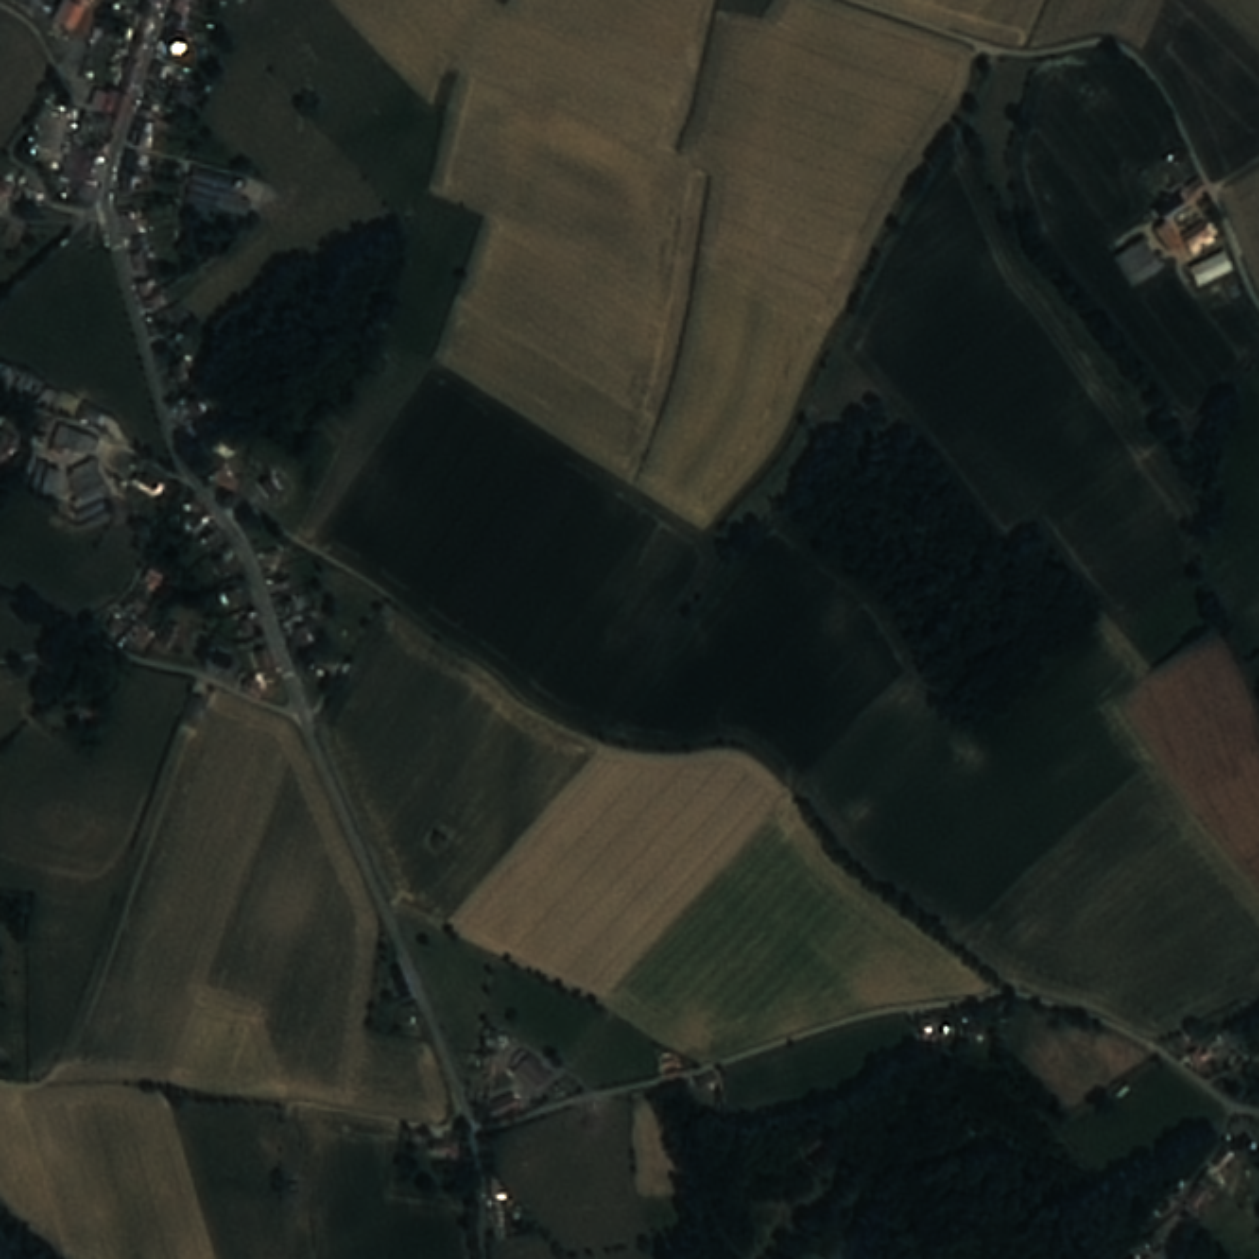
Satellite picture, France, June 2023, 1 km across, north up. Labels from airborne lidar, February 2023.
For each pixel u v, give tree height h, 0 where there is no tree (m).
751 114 0
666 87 0
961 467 0
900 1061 19
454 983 0
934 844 0
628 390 0
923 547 20
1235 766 0
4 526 0
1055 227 0
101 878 0
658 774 0
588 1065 0
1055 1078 0
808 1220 20
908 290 0
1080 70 0
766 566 0
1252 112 0
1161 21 0
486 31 0
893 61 0
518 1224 13
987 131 0
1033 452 0
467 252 0
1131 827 0
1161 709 0
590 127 0
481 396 0
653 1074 0
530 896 0
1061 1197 18
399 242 20
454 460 0
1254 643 0
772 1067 0
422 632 0
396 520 0
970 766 0
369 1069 0
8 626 0
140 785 0
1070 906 0
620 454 0
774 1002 0
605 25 0
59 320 0
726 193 0
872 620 0
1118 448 0
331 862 0
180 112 8
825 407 0
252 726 0
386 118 0
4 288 8
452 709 0
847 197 0
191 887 0
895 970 0
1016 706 0
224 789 0
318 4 0
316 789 0
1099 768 0
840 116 0
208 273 0
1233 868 0
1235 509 0
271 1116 0
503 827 0
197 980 0
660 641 0
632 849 0
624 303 0
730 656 0
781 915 0
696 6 0
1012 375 0
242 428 21
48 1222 0
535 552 0
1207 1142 17
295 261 14
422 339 0
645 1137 0
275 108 0
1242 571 0
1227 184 0
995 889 0
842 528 25
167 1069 0
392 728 0
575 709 0
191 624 0
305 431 27
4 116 0
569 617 0
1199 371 0
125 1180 0
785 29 0
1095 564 0
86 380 0
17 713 0
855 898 0
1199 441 11
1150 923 0
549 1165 0
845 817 0
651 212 0
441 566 0
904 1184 28
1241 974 0
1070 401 0
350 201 0
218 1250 0
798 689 0
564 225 0
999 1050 18
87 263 0
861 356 0
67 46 0
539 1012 0
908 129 0
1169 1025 0
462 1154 8
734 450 0
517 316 0
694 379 0
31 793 0
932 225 0
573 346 0
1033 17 0
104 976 0
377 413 0
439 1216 0
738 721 0
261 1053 0
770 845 0
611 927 0
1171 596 0
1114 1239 17
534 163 0
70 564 0
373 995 0
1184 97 0
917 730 0
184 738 0
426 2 0
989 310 0
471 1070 0
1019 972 0
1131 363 22
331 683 14
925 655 19
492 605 0
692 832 0
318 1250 0
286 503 0
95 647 15
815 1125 17
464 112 0
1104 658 0
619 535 0
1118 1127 0
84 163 0
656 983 0
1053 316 0
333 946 0
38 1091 0
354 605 0
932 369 0
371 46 0
